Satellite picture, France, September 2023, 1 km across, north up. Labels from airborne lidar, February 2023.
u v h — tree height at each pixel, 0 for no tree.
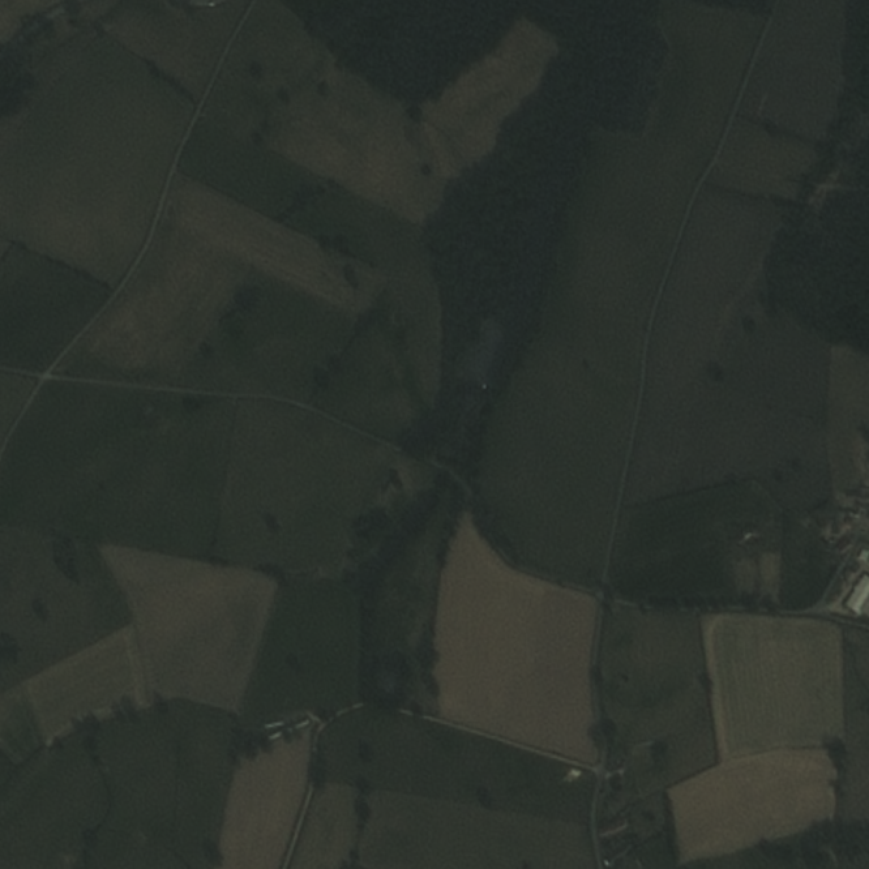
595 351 0
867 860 0
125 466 0
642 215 0
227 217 0
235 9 0
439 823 0
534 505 0
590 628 0
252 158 0
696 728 0
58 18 0
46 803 0
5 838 0
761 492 0
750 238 0
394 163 0
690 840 0
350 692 0
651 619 0
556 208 27
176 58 0
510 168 18
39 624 0
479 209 16
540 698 0
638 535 0
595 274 0
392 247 0
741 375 0
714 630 0
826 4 0
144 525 0
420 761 0
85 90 0
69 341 0
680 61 0
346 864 0
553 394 0
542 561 0
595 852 0
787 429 0
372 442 0
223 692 0
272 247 0
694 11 0
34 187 0
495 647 0
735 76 0
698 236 0
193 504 0
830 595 0
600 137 0
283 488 0
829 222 14
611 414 0
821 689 0
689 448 0
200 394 0
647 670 0
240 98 0
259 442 0
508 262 19
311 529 0
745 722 0
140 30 0
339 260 0
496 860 0
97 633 0
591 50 28
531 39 0
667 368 0
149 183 0
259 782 0
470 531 0
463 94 0
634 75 26
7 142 0
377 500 0
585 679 0
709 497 0
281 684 0
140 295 0
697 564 0
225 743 0
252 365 0
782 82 0
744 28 0
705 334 0
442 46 27
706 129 0
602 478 0
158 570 0
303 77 0
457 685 0
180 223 0
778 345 0
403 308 0
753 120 0
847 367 0
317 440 0
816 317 22
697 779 0
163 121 0
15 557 0
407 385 0
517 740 0
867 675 0
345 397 0
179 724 0
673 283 0
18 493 0
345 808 0
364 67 21
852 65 14
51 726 0
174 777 0
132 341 0
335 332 0
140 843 0
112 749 0
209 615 0
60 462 0
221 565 8
